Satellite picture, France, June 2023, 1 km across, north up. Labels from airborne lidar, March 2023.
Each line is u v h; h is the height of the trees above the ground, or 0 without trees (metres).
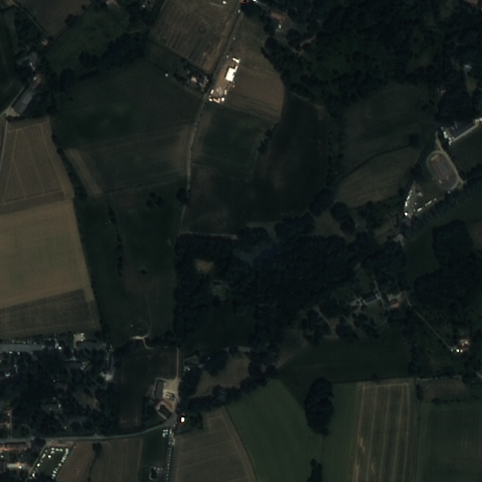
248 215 0
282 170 0
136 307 0
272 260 27
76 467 0
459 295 26
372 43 11
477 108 16
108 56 20
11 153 0
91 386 18
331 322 0
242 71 0
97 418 19
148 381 0
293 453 0
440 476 0
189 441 0
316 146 0
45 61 8
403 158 0
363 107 0
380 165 0
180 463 0
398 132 0
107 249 0
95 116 0
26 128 0
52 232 0
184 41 0
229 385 0
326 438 0
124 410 0
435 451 0
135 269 0
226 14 0
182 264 19
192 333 11
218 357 18
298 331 0
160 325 0
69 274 0
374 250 6
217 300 13
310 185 0
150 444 0
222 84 0
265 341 22
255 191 0
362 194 0
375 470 0
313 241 19
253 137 0
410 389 0
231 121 0
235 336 0
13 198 0
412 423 0
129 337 0
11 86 0
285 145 0
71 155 0
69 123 0
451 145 0
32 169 0
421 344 0
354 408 0
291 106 0
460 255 29
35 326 0
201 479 0
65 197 0
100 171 0
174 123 0
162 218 0
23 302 0
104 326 11
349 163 0
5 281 0
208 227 0
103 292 0
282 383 0
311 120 0
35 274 0
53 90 11
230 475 0
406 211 0
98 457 0
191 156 0
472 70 8
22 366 27
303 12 22
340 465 0
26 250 0
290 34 16
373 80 19
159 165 0
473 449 0
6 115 0
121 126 0
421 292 19
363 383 0
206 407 19
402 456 0
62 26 0
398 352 0
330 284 26
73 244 0
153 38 0
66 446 0
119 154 0
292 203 0
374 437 0
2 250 0
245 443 0
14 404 7
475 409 0
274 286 26
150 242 0
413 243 0
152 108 0
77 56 0
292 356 0
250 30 0
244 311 8
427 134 0
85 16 0
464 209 0
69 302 0
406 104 0
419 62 0
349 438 0
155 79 0
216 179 0
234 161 0
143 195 0
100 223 0
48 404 0
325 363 0
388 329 0
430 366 0
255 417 0
